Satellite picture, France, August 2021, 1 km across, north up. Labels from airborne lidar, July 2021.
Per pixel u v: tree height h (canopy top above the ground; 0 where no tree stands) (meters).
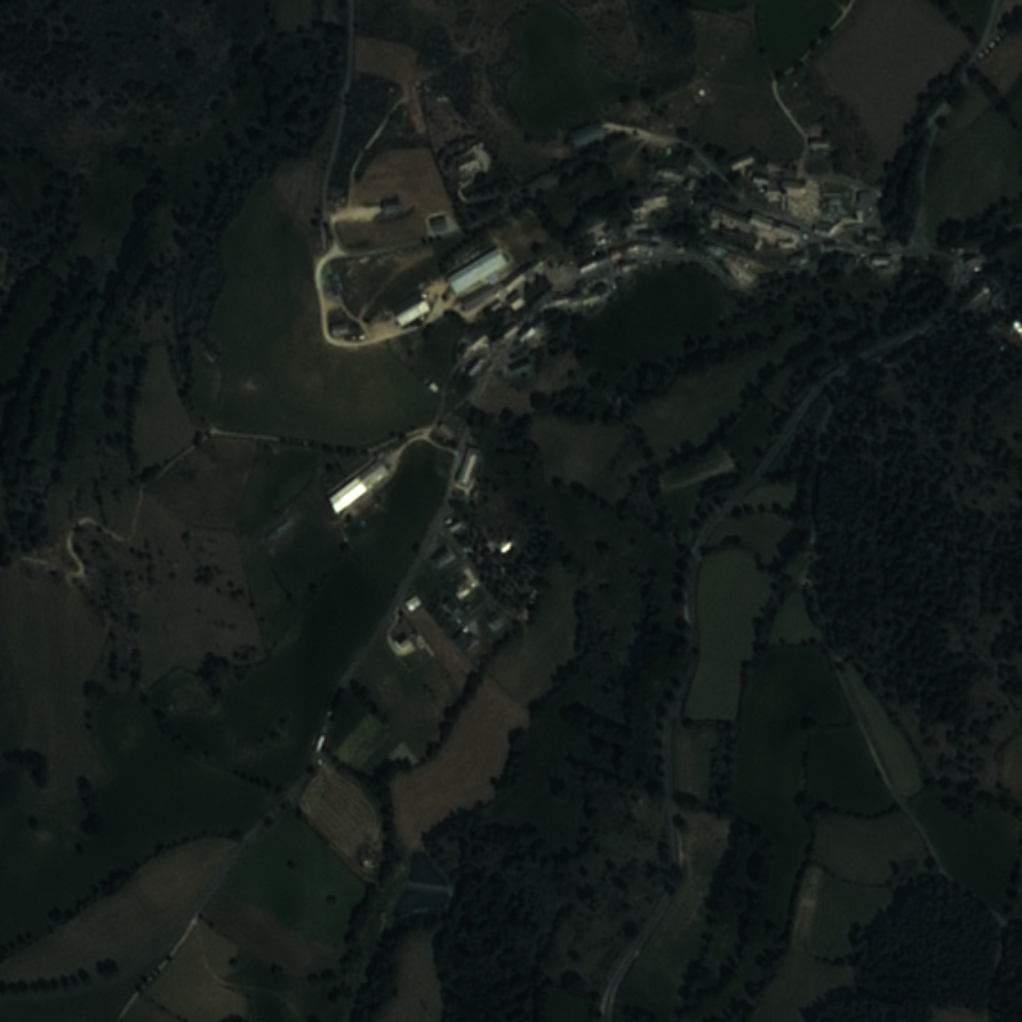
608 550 11
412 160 0
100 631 0
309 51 12
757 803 0
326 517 0
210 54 0
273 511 0
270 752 0
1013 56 0
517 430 14
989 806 14
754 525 0
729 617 0
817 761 0
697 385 0
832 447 11
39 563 0
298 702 0
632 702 12
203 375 0
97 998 0
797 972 0
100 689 11
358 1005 11
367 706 17
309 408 0
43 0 14
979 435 6
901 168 15
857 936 12
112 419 14
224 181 16
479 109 0
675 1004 0
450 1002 16
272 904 0
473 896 18
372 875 0
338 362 0
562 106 0
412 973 0
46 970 0
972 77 15
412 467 0
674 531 9
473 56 0
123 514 0
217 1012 0
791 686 0
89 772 0
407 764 11
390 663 0
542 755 0
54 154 0
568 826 0
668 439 0
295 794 0
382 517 0
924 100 15
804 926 0
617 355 0
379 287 0
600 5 0
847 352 14
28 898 0
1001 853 0
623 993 0
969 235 14
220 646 0
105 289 0
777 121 0
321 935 0
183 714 0
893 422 17
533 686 0
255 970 0
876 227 0
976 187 0
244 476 0
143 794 0
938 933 18
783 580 9
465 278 0
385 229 0
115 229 0
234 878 0
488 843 10
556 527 0
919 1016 21
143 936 0
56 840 0
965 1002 14
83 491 0
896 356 10
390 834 14
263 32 0
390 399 0
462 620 0
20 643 0
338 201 0
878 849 0
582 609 12
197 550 0
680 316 0
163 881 0
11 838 0
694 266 8
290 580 0
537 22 0
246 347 0
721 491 7
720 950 0
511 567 7
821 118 7
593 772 13
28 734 0
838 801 0
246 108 0
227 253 0
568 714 14
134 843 0
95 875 0
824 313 11
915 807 0
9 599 0
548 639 0
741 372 0
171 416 0
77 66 17
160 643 0
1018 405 0
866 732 0
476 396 0
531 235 0
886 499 8
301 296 0
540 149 0
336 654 0
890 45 0
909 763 0
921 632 13
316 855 0
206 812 0
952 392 10
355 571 0
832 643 11
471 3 0
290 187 0
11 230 15
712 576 0
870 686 16
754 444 0
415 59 0
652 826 0
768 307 11
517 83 0
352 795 0
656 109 7
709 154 12
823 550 13
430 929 15
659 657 17
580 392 7
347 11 6
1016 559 15
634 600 0
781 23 0
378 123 0
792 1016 0
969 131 0
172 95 10
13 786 0
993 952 14
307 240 0
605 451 0
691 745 0
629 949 0
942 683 15
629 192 8
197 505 0
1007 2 0
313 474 0
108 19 0
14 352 0
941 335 8
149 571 6
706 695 0
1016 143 0
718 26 0
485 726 0
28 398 12
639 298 0
